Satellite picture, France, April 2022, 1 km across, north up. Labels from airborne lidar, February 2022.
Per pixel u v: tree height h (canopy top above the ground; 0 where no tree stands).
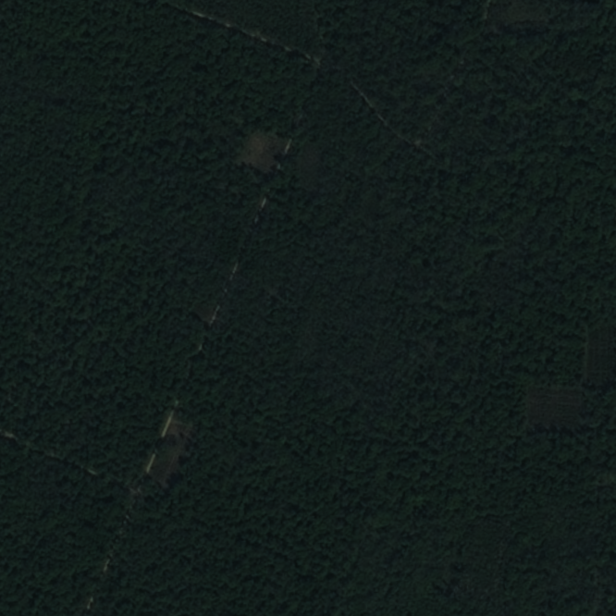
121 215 20
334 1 19
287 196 21
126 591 18
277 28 13
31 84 14
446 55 24
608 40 16
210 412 20
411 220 20
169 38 21
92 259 21
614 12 20
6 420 22
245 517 7
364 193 23
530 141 16
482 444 16
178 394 19
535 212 15
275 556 16
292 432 16
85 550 21
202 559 21
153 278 19
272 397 18
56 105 17
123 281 9
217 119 21
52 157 16
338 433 22
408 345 26
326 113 26
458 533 17
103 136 20
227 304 26
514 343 22
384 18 20
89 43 14
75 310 19
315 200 18
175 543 22
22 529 12
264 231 21
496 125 24
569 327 18
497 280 10
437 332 27
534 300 22
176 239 24
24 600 20
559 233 22
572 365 19
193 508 19
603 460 19
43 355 12
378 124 23
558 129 24
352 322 25
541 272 23
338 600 19
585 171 15
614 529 22
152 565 9
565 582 13
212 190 24
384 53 15
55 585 19
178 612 18
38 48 16
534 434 21
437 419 11
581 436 12
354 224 26
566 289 22
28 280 11
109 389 20
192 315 16
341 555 23
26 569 19
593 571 21
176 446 24
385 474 23
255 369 21
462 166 20
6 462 18
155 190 22
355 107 22
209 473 9
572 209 24
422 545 22
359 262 23
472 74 23
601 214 25
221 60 22
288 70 18
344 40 21
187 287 20
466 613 20
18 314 22
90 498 20
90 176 15
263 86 20
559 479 19
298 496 19
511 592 19
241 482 22
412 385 25
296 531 22
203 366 21
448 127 26
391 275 24
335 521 19
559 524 18
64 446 17
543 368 19
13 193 12
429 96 26
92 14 20
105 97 17
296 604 22
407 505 19
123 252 16
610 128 20
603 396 10
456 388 19
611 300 21
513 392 20
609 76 19
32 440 20
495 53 26
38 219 19
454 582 0
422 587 21
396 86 22
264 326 23
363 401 20
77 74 18
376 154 24
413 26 21
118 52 17
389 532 19
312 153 0
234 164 17
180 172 23
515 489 17
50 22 18
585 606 20
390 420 24
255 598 22
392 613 19
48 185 17
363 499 16
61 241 21
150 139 19
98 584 17
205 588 20
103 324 25
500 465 18
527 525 19
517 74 25
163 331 18
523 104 24
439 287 10
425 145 22
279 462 21
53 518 19
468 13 24
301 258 24
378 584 18
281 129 20
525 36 22
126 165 25
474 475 24
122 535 18
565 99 20
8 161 12
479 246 26
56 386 16
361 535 16
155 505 18
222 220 24
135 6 22
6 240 16
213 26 17
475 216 24
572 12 14
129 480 16
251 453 21
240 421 20
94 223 12
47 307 17
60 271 18
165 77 14
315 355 17
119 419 22
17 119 11
